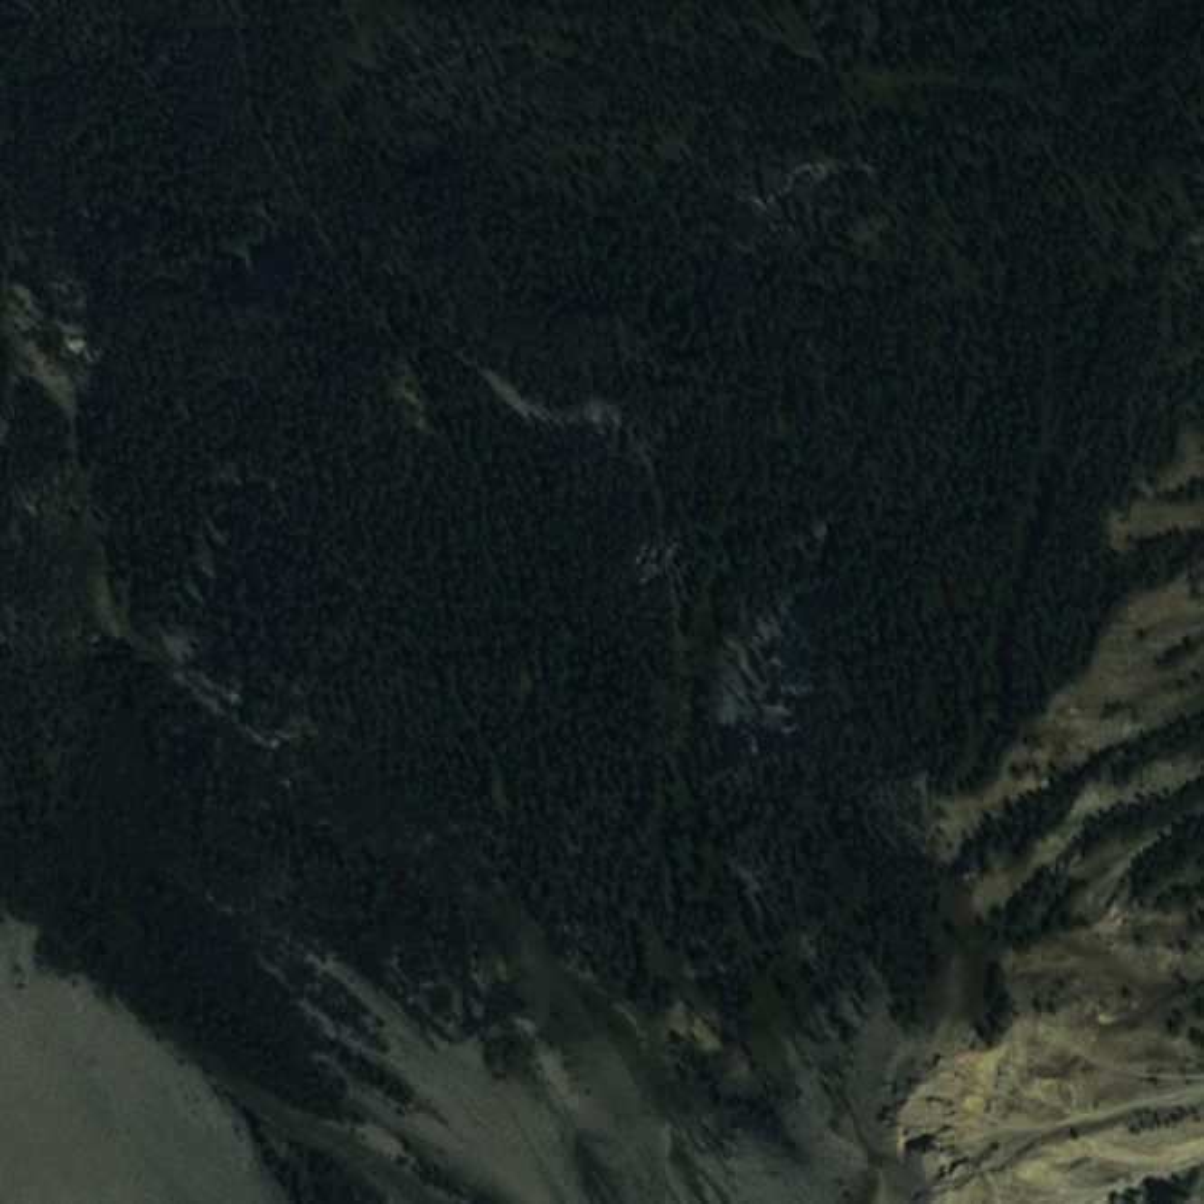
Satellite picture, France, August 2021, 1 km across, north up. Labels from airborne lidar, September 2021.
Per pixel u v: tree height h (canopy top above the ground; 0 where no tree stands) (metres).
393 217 13
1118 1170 0
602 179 21
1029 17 23
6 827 9
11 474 12
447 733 14
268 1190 0
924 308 12
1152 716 0
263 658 10
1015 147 22
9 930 0
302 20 17
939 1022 0
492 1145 0
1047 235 19
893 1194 0
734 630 15
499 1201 0
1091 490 14
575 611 20
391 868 10
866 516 13
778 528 15
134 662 15
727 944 7
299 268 14
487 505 18
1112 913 0
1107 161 25
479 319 9
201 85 12
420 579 16
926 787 0
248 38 12
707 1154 0
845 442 13
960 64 23
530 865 15
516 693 8
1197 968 0
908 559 17
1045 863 0
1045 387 15
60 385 0
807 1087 0
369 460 12
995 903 0
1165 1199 11
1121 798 0
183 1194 0
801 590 15
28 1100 0
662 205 17
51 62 15
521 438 18
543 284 22
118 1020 0
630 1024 0
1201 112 21
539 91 17
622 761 11
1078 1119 0
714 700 13
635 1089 0
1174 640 0
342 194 15
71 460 12
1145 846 0
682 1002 0
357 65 0
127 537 7
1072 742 0
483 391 18
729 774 6
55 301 9
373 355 18
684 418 15
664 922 10
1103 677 0
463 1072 0
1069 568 13
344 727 7
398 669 10
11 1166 0
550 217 15
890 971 8
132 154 13
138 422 13
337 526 16
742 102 17
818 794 13
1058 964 0
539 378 16
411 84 19
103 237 7
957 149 22
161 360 17
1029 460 20
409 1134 0
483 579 15
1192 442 0
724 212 13
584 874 6
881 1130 0
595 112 17
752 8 20
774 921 11
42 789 14
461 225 10
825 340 17
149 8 16
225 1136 0
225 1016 12
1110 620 7
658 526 11
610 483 16
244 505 15
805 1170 0
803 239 20
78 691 6
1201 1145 0
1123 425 15
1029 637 15
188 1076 0
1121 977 0
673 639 16
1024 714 9
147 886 7
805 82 22
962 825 0
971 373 18
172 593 11
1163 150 23
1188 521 0
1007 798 0
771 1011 0
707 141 12
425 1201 0
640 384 19
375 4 17
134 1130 0
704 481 16
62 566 9
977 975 0
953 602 9
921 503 12
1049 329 16
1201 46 21
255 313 12
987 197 18
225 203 17
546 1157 0
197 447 15
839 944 11
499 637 13
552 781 11
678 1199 0
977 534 19
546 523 19
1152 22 8
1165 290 20
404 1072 0
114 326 12
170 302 15
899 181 19
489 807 8
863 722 8
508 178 16
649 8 19
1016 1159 0
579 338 14
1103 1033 0
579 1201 0
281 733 6
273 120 13
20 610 6
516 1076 0
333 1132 0
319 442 13
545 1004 0
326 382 12
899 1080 0
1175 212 21
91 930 10
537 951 0
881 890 16
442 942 11
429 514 15
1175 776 0
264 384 13
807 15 21
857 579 13
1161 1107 0
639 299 16
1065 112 0
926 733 13
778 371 21
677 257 21
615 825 7
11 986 0
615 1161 0
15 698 15
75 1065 0
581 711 16
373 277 14
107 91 15
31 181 9
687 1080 12
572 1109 0
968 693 16
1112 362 18
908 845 7
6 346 15
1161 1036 0
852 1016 0
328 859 7
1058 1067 0
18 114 9
